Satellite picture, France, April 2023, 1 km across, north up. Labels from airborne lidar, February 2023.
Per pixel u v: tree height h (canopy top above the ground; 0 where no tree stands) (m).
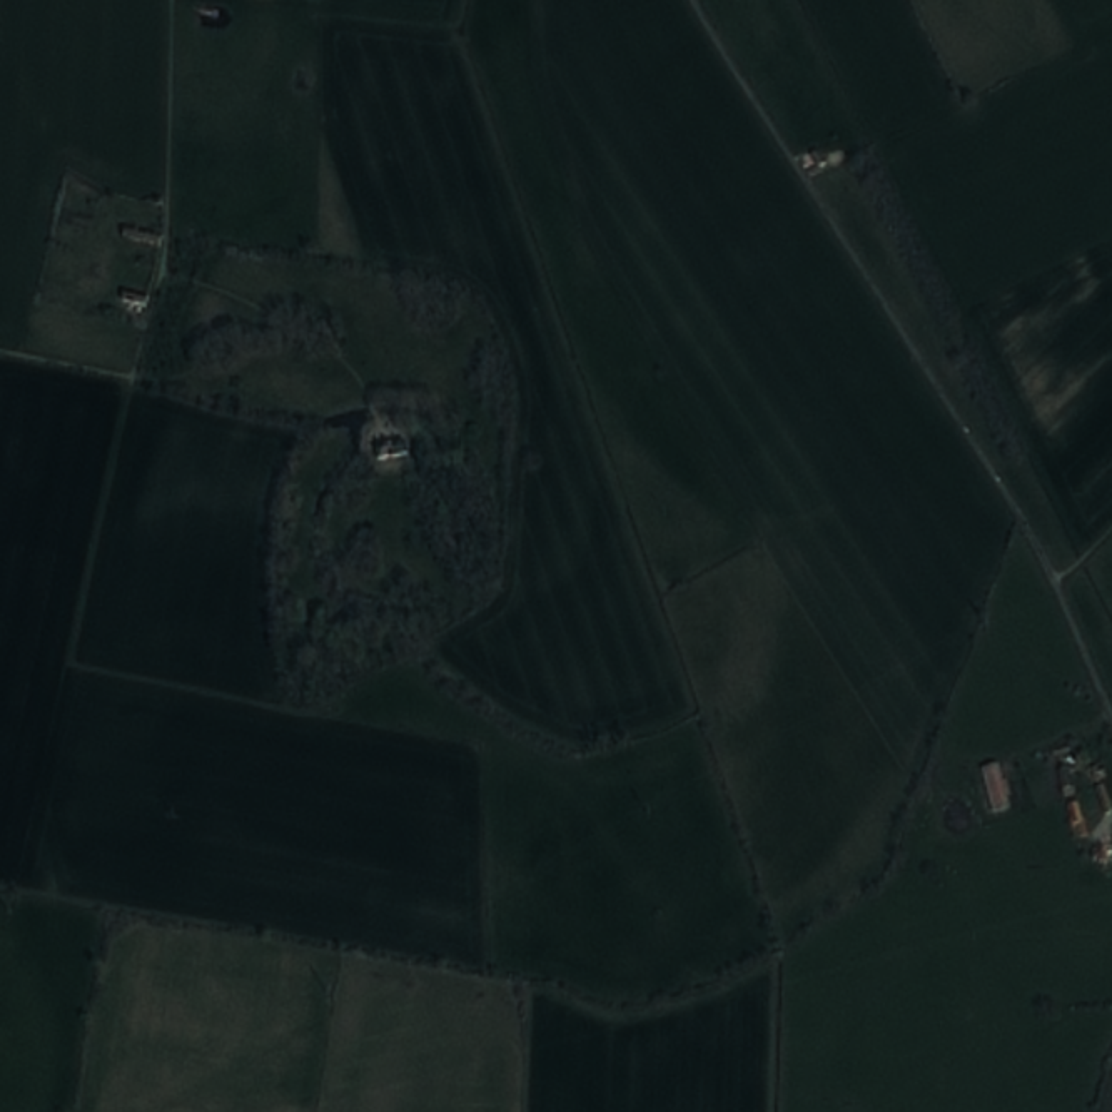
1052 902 0
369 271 10
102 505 0
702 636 0
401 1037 0
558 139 0
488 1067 0
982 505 0
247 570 0
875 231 0
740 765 0
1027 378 0
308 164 0
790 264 0
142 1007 0
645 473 0
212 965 0
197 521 0
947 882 0
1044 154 0
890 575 0
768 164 0
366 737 0
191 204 0
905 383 0
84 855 0
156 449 0
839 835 0
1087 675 0
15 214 0
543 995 0
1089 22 0
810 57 0
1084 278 0
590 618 0
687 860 0
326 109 0
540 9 0
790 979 0
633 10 0
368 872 0
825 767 0
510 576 0
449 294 16
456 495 17
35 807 0
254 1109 0
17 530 0
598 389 0
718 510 0
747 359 0
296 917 0
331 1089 0
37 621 0
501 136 0
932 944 0
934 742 9
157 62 0
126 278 0
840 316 0
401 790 0
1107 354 0
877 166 14
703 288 0
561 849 0
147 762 0
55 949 0
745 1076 0
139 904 0
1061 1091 0
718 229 0
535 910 0
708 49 0
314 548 9
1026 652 0
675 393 0
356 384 0
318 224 0
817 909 0
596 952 0
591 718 0
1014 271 0
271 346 23
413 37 0
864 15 0
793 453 0
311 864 0
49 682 0
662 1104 0
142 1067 0
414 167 0
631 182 0
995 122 0
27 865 0
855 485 0
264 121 0
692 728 0
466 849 0
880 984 0
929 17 0
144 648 0
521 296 0
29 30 0
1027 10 0
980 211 0
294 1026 0
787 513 0
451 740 0
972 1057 0
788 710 0
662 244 0
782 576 0
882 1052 0
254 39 0
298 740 0
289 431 13
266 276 0
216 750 0
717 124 0
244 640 0
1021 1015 0
